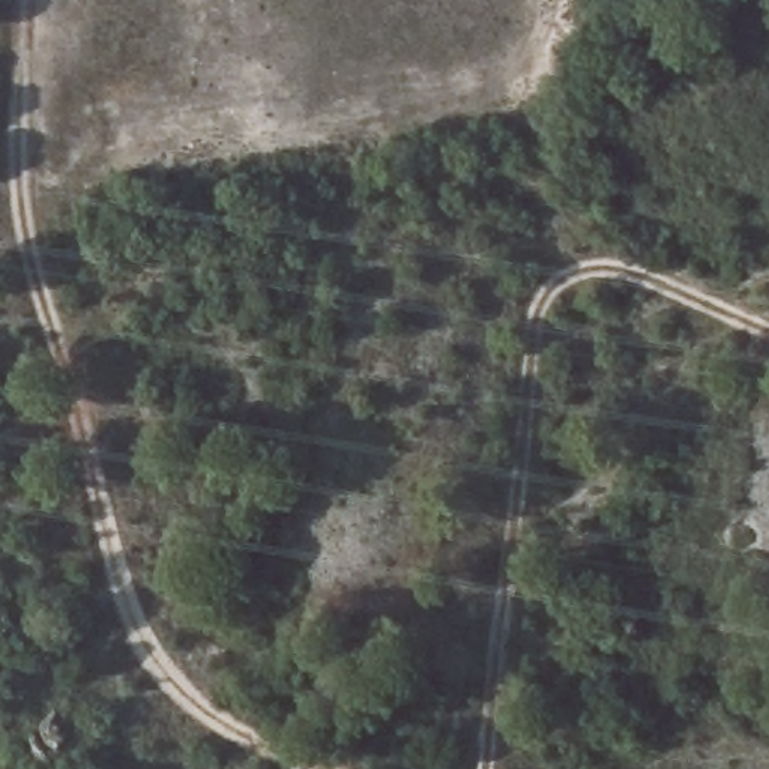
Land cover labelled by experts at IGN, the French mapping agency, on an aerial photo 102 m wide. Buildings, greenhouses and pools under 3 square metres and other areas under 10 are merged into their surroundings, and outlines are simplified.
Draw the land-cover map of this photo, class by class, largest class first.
<instances>
[{"label":"herbaceous vegetation","instance_id":"1","mask_svg":"<svg viewBox=\"0 0 769 769\"><path fill-rule=\"evenodd\" d=\"M571 0H0V327L12 330V345L21 354H30V363L39 369L45 391H51L57 400L51 442L60 445V469L69 475V493H60V502L51 511L75 523V541L60 568L63 580L72 583L69 601L63 604L66 625L75 634V652L81 658V667L90 673L93 682L111 679L114 694L120 697L111 709V727L105 730L108 742H96L87 754V760L99 769H279V763L258 757L249 745L222 739L219 733L198 724L159 688L156 676L144 670V661L135 655L129 643L132 631L120 622V613L114 607V595L105 574V553L99 550L96 520L105 517L102 502L87 499V487L111 493L123 544L120 553L126 556V565L132 571V589L141 601L147 628L159 634L165 652L198 688L210 676V661L222 655L219 646H210L204 634L174 622L171 607L141 583V571L153 568V550L159 547L165 514V502L159 499V493L132 472V448L141 424H165L162 412L153 406L135 412L129 397L135 372L147 357V351L141 348L144 333L132 318V303H99L102 288L96 282V270L108 264V252L93 246L78 249L69 231V210H81L90 204V189L102 186L105 177L114 171L138 165H198L213 159H243L249 153L312 144H336L345 156L339 162H321L318 174L312 177L306 171L288 168L282 171L279 186H270L258 174H249L237 189L252 192L255 210L267 213V237L294 246L300 258L321 261L324 255H330V285L339 288L330 321L333 363L345 366V378L339 381L321 375L315 385L306 388L300 409L279 412L264 403H252L246 397L243 375L231 372L225 360H216L213 366H198L189 375V394L195 397L189 412L192 418L231 412L249 421L279 424L285 433L300 439L309 466V478H303L294 505L288 511H270V517L261 526V535L246 538L243 586L249 598L231 619L234 625L249 628L261 637H273L276 622L282 616L297 619L303 613V601L333 613H351L363 610L366 604H397L409 592L421 607H436L445 598H454L457 619L442 634V652L451 682V691L445 694V709L457 712L469 706L472 697H478L481 703H493L496 685L517 667L520 658H529V664H535L553 655L547 637L553 619L544 613L541 604L523 601L517 595L520 586L508 580L505 571L514 547L526 541L532 532H538V538H556L568 553H574V562L568 568L571 577L598 574L610 580V628L616 637L625 634V625H634V640L658 637L670 625L661 610V595L655 586L652 565L628 562L622 556V547L595 517V508L607 505L610 499H625V466H610L601 475L583 481L580 472L565 469L559 460L541 454L538 427L544 418V391L532 378L541 369L538 354H529L514 333L496 327H487L484 348L451 342L454 327H433L415 336L372 333V300L391 294L394 276L385 267L357 270L351 264V228L357 225L360 213L348 207V159L354 150H363L369 144V138L388 141L391 135H397L451 114H487L520 108L523 99L538 93L544 75H553L556 45L574 33V24L568 18ZM21 171L30 177L36 219V237L24 243L15 240L9 210V180ZM36 288L54 291L63 327L75 339L66 366H60L48 351V342L57 339V330H45L39 324L30 294ZM78 400L96 403V430L87 439H72L69 433V415ZM721 39V45L727 48V57L739 72L757 69L769 51V0H739L724 12V21L712 30ZM643 102L646 111H655V105L667 93H691L694 72H673L661 60H655L643 72ZM550 225L556 246L577 267L583 258L610 255L604 240L589 231V222L580 219L577 210H568L562 216L553 210ZM676 303L658 294L652 297V303H643V321H664ZM736 354L769 357V333L754 336L739 330L733 336ZM706 403V397L679 388L673 397L661 403L646 397H628L616 409H601L598 418H592L595 430L589 433L595 457L607 463L613 442H625L634 460L649 454L667 457L679 445H688L697 436L703 415L700 406ZM754 448L766 460V466L754 472L751 511L730 514L721 532V544H733V535L748 526L754 532V550L769 553V397L760 394V406L754 412ZM613 688L628 706L640 712V724L631 730L634 742L640 745V760L634 766L637 769H769V748L742 733H736L733 742L718 736L712 745H685L679 715L670 709V703L661 700L658 682L649 673H634L631 661L622 652H613Z\"/></svg>","mask_w":769,"mask_h":769},{"label":"deciduous trees","instance_id":"2","mask_svg":"<svg viewBox=\"0 0 769 769\"><path fill-rule=\"evenodd\" d=\"M739 0H571L568 18L574 24V33L556 45L553 75H544L538 93L523 99L520 108L526 123L538 135V153L547 165L541 174V180L547 183L541 198L553 210L562 216L568 210H577L580 219L589 222V231L604 240L610 255L637 261L661 273L682 270L691 249L679 237V225L670 219H649L634 210V189L649 174L643 159L628 147V141L634 138L631 108L643 102V72L655 60H661L673 72H694L697 57H703L706 51H718L721 45V39L712 30L724 21V12ZM412 150L397 135H391L388 141L369 138V144L363 150H354L348 159V207L360 213L397 222V228L403 231H415L424 219L421 192L403 177V162ZM345 156L336 144H312L249 153L243 159H213L198 165H138L114 171L105 177L102 186L90 189V204L81 210H69V231L78 249L93 246L108 252V264L96 270V282L102 288L99 303H132V318L144 333L141 348L147 351V357L135 372L129 397L135 412L153 406L162 412L165 424H141L132 448V472L159 493V499L165 502V514L159 547L153 550V568L141 571V583L171 607L174 622L204 634L210 646H219L222 655L210 661V676L198 688L210 697L216 709L255 727L276 751H285L297 766L321 769H496V763L520 742L541 739L544 730H562L574 721H580V733L592 748L610 751L622 757L628 766H634L640 760V745L634 742L631 730L640 724V712L628 706L613 688V652H622L631 661L634 673H649L658 682L661 700L670 703V709L679 715L685 745H712L718 736L733 742L736 733H742L769 748V580H733L721 592V610L709 607L706 595L685 583L661 595V610L670 625L658 637L634 640V625H625V634L616 637L610 628V580L598 574L571 577L568 568L574 562V553H568L556 538H538V532H532L526 541L514 547L505 571L508 580L520 586L517 595L523 601L541 604L544 613L553 619L547 637L553 655L535 664H529V658H520L517 667L496 685L493 703H481L478 697H472L469 706L457 712L445 709V694L451 691V682L442 652V634L457 619L454 598H445L436 607H421L409 592L397 604H366L363 610L351 613H333L303 601V613L297 619L282 616L276 622L273 637H261L249 628L234 625L231 619L249 598L243 586L246 538L261 535V526L270 517V511H288L294 505L303 478H309V466L300 439L285 433L279 424L249 421L231 412L192 418L189 412L195 397L189 394V375L198 366H213L216 360H225L231 372L243 375L246 397L252 403H264L279 412L300 409L306 388L315 385L321 375L339 381L345 378V366L333 363L330 321L339 288L330 285V255H324L321 261L300 258L294 246L267 237V213L255 210L252 192L237 189L249 174H258L270 186H279L282 171L288 168L306 171L312 177L318 174L321 162H339ZM57 400L51 391H45L39 369L30 363V354H21L12 345V330L0 327V769H99L87 760V754L96 742H108L105 730L111 727V709L120 697L114 694L111 679L93 682L90 673L81 667V658L75 652V634L66 625L63 604L69 601L72 583L63 580L60 568L75 541V523L51 511L60 502V493H69V475L60 469V445L51 442Z\"/></svg>","mask_w":769,"mask_h":769},{"label":"brushwood","instance_id":"3","mask_svg":"<svg viewBox=\"0 0 769 769\"><path fill-rule=\"evenodd\" d=\"M634 138L628 141V147L643 159L649 174L634 189V210L649 219H670L679 225V237L691 249L682 270L700 279L706 291L733 300L751 312L769 315V51L757 69L739 72L727 57V48L721 45L718 51H706L703 57H697L694 72L691 93H667L655 105V111H646L643 102L631 108ZM412 150L403 162V177L421 192L424 219L415 231H403L397 228V222L360 213L357 225L351 228V264L357 270L385 267L394 276L391 294L372 300V333L415 336L433 327H454L451 342L484 348L487 327H496L514 333L529 354H538L541 369L532 378L544 391V418L538 427L541 454L559 460L565 469L580 472L583 481L601 475L610 466H625V499H610L607 505L595 508V517L622 547V556L628 562L652 565L655 586L661 595L685 583L706 595L709 607L721 610V592L733 580H769V553L754 550V532L748 526L733 535V544H721V532L730 514L751 511L754 472L766 466V460L754 448V412L760 406V394L769 397V357L736 354L733 336L739 330L676 303L664 321H643V303H652V297L658 294L622 279H592L565 291L544 318H532L529 303L535 291L541 285L562 282L577 267L556 246L550 225L553 210L541 198L547 183L541 180V174L547 165L538 153V135L526 123L520 108L487 114H451L397 135ZM679 388L706 397V403L700 406L703 415L697 436L688 445H679L667 457L649 454L634 460L625 442H613L607 463L595 457L589 433L595 430L592 418H598L601 409H616L628 397H646L661 403L673 397ZM496 769H637L634 766H628L622 757L610 751L592 748L580 733V721H574L562 730H544L541 739L520 742L496 763Z\"/></svg>","mask_w":769,"mask_h":769},{"label":"pervious surface","instance_id":"4","mask_svg":"<svg viewBox=\"0 0 769 769\"><path fill-rule=\"evenodd\" d=\"M9 210L15 240L24 243L36 237V219L30 177L21 171L9 180ZM592 279H622L658 294L676 303L739 330L754 336L769 333V315L751 312L733 300L706 291L700 279L682 270L661 273L637 261L610 255L583 258L577 267L562 282L541 285L535 291L529 303L532 318H544L565 291ZM30 294L39 324L45 330H57V339L48 342V351L60 366H66L75 339L63 327L54 291L36 288ZM96 403L78 400L69 415V433L72 439H87L96 430ZM87 499L102 502L105 517L96 520L99 550L105 553V574L114 595V607L120 613V622L132 631L129 643L135 655L144 661V670L156 676L159 688L198 724L219 733L222 739L249 745L258 757L279 763V769H321L297 766L285 751H276L255 727L216 709L210 697L198 688L165 652L159 634L147 628L141 601L132 589V571L126 565V556L120 553L123 544L111 493L87 487Z\"/></svg>","mask_w":769,"mask_h":769}]
</instances>
